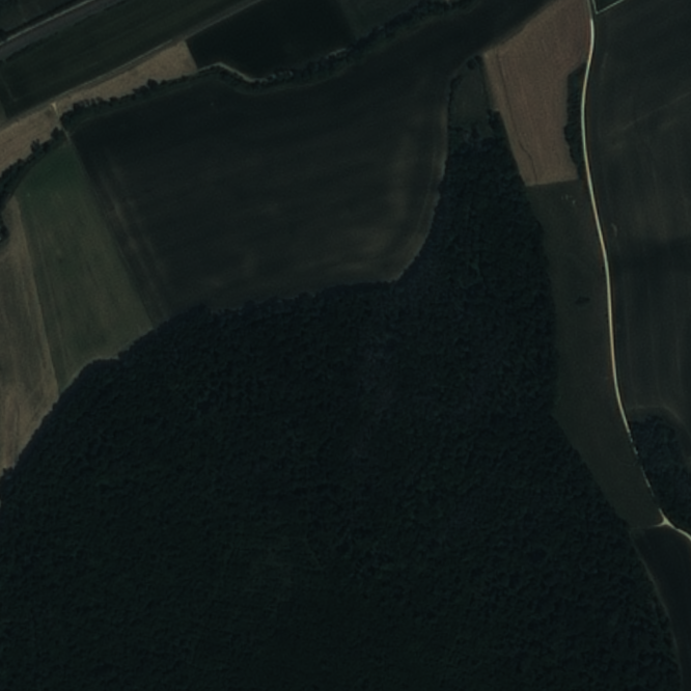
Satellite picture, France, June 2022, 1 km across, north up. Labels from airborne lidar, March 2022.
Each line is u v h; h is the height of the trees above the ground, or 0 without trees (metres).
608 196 0
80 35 0
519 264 31
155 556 19
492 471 24
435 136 0
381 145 0
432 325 24
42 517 21
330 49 0
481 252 25
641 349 0
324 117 0
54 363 0
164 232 0
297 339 25
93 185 0
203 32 0
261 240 0
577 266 0
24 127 0
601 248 0
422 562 26
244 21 0
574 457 21
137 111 0
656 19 0
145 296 0
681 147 0
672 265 0
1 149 0
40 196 0
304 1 0
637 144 0
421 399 23
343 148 0
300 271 0
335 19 0
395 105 0
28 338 0
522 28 0
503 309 25
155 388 21
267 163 0
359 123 0
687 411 0
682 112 0
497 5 0
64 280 0
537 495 25
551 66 0
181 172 0
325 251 0
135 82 0
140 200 0
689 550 0
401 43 0
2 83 0
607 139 0
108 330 0
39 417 0
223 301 0
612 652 19
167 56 0
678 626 0
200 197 0
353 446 22
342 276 0
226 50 0
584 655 24
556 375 22
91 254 0
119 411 20
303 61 0
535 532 27
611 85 0
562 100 0
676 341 0
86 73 0
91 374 18
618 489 0
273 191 0
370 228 0
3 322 0
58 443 27
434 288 23
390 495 21
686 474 19
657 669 22
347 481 26
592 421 0
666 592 0
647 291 0
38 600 16
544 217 0
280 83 7
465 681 10
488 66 0
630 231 0
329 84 0
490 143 17
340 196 0
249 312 19
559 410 0
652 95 0
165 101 0
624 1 0
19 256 0
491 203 22
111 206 0
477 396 30
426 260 20
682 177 0
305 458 12
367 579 17
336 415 25
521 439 32
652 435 18
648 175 0
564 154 0
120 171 0
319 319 24
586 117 0
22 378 0
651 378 0
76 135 0
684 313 0
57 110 0
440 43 0
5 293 0
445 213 24
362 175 0
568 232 0
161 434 18
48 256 0
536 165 0
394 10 0
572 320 0
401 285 18
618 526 26
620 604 25
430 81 0
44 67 0
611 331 0
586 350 0
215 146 0
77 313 0
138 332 0
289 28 0
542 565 26
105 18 0
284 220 0
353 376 21
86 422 21
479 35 0
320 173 0
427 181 0
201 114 0
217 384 16
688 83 0
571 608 26
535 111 0
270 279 0
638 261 0
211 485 17
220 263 0
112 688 13
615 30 0
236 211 0
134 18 0
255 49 0
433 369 23
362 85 0
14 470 19
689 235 0
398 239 0
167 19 0
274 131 0
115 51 0
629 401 0
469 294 23
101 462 23
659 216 0
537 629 25
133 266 0
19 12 0
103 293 0
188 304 0
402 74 0
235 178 0
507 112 0
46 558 20
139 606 15
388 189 0
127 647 14
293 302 8
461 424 25
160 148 0
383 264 0
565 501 23
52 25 0
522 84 0
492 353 26
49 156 0
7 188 7
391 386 20
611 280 0
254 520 12
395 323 22
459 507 28
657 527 0
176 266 0
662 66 0
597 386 0
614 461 0
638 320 0
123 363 16
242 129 0
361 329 22
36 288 0
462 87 0
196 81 0
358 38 0
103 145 0
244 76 0
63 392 0
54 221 0
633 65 0
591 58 0
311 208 0
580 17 0
